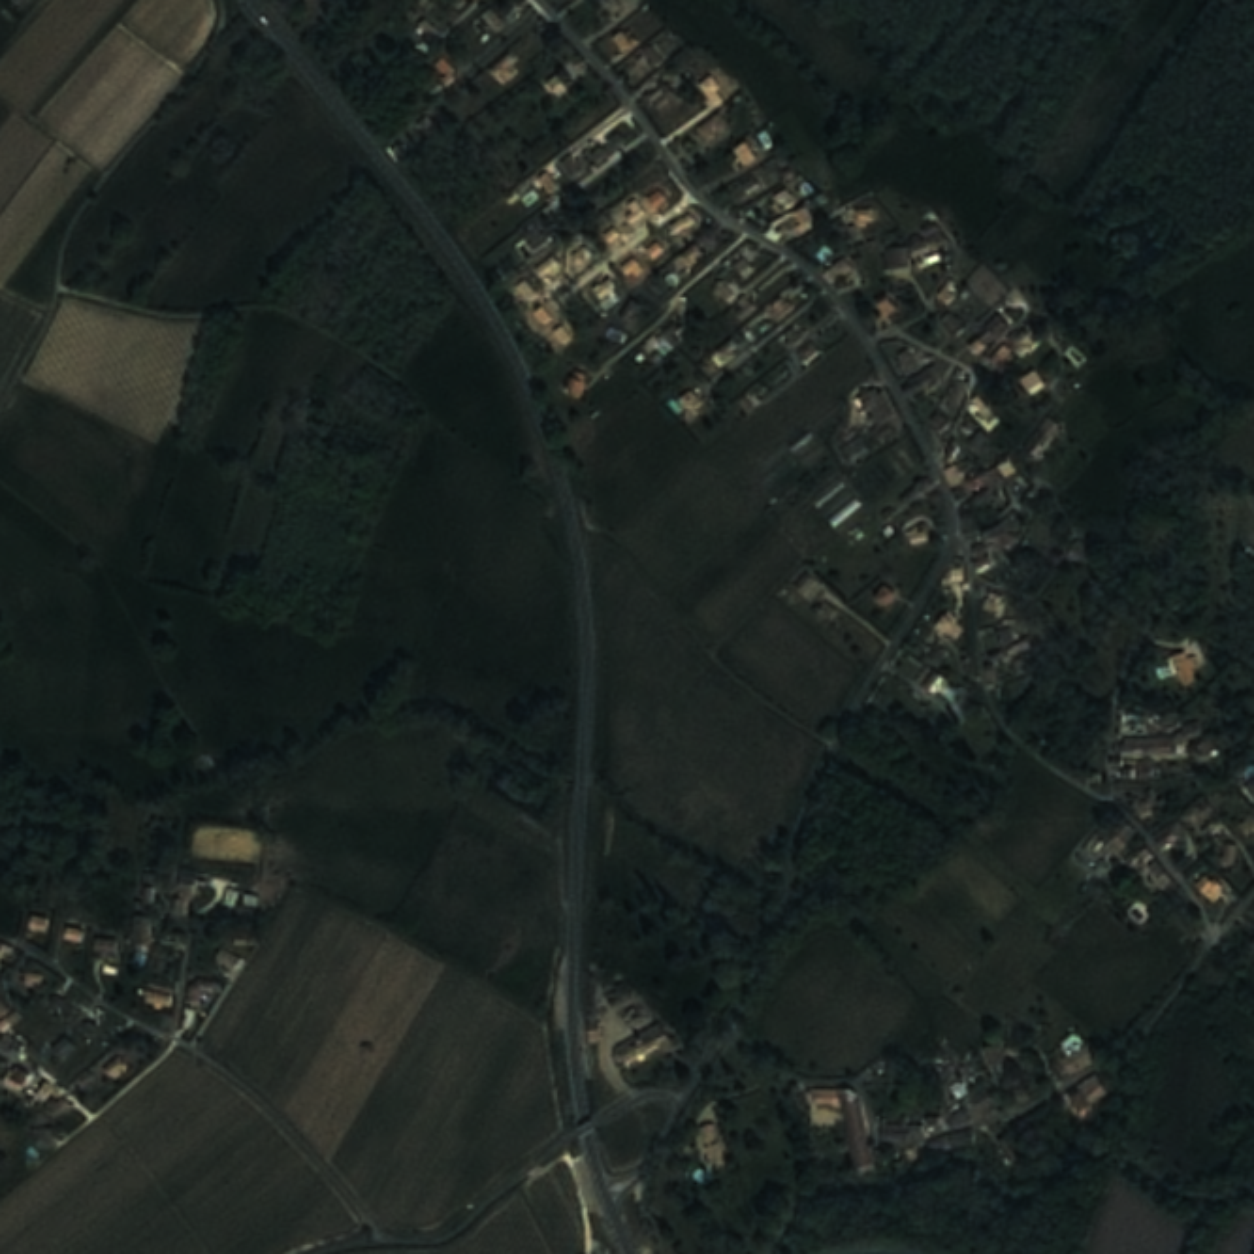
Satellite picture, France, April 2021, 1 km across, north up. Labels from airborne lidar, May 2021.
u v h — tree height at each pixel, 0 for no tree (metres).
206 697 0
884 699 12
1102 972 0
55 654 0
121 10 0
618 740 0
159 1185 0
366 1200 0
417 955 0
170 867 21
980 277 0
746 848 0
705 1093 7
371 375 10
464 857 0
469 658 0
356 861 0
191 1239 0
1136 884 15
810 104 0
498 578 0
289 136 0
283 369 0
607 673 0
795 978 0
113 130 0
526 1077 0
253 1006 0
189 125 0
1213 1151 0
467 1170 0
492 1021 0
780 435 0
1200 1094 0
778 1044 0
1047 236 0
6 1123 8
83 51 0
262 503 0
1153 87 15
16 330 0
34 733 0
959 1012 0
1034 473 11
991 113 13
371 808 0
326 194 0
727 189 8
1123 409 0
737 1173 8
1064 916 0
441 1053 0
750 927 0
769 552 0
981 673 0
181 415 11
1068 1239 25
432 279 18
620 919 0
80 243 0
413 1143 0
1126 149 15
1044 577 16
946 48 17
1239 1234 0
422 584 0
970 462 0
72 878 20
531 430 0
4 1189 0
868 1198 21
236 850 0
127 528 0
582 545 0
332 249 19
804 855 19
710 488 0
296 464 14
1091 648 13
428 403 0
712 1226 7
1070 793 0
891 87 12
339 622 13
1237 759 11
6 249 0
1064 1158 20
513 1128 0
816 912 21
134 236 13
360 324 14
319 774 0
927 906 0
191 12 0
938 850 21
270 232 0
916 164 0
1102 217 14
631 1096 0
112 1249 0
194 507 0
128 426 0
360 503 17
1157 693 7
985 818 19
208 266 0
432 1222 0
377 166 0
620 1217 0
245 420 0
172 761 13
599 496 0
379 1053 0
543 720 19
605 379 0
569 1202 0
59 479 0
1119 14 14
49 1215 0
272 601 19
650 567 0
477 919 0
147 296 10
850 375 0
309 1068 0
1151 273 14
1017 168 18
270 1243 0
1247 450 0
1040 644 11
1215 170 16
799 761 0
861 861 24
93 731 0
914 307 7
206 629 0
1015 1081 8
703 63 0
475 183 23
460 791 17
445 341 0
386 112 19
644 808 0
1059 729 13
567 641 0
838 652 0
